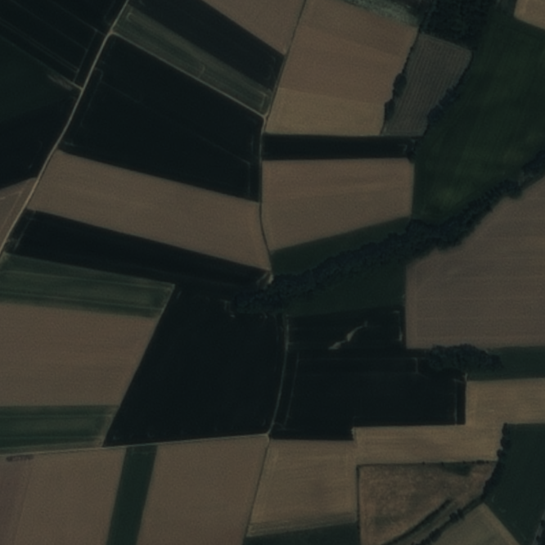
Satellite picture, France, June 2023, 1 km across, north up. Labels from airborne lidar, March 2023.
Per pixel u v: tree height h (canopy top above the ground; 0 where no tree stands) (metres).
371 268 23
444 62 0
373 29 0
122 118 0
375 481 0
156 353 0
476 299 0
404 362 0
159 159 0
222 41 0
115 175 0
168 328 0
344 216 0
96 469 0
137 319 0
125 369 0
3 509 0
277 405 0
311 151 0
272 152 0
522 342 0
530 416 0
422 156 0
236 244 0
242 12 0
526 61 0
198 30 0
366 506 0
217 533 0
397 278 0
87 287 0
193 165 0
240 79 0
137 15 0
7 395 0
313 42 0
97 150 0
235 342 0
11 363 0
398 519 0
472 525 0
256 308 20
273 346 0
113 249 0
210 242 0
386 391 0
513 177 0
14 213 0
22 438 0
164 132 0
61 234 0
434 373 0
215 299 0
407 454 0
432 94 0
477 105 0
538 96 0
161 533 0
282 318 0
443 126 0
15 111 0
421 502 0
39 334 0
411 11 0
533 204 0
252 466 0
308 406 0
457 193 0
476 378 0
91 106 0
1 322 0
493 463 0
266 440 0
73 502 0
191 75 0
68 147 0
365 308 0
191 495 0
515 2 0
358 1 0
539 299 0
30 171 0
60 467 0
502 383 0
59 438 0
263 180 0
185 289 0
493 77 0
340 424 0
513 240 0
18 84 0
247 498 0
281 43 0
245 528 0
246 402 0
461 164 0
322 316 0
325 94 0
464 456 0
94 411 0
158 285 0
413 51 6
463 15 8
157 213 0
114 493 0
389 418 0
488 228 0
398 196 0
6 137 0
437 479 0
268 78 0
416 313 0
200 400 0
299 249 0
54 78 0
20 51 0
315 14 0
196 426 0
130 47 0
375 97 0
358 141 0
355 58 0
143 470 0
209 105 0
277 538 0
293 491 0
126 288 0
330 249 0
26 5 0
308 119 0
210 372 0
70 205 0
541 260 0
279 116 0
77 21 0
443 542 0
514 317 0
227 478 0
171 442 0
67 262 0
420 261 0
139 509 0
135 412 0
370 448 0
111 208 0
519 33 0
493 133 0
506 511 0
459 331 0
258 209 0
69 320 0
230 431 0
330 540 0
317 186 0
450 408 0
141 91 0
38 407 0
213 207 0
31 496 0
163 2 0
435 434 0
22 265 0
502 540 0
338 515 0
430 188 0
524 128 0
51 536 0
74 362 0
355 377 0
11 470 0
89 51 0
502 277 0
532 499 0
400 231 0
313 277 21
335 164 0
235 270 0
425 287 0
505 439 9
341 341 0
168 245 0
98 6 0
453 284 0
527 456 0
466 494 0
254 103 0
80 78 0
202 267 0
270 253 0
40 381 0
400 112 0
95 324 0
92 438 0
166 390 0
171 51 0
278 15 0
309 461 0
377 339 0
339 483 0
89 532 0
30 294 0
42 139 0
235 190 0
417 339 0
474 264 0
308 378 0
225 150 0
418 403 0
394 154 0
